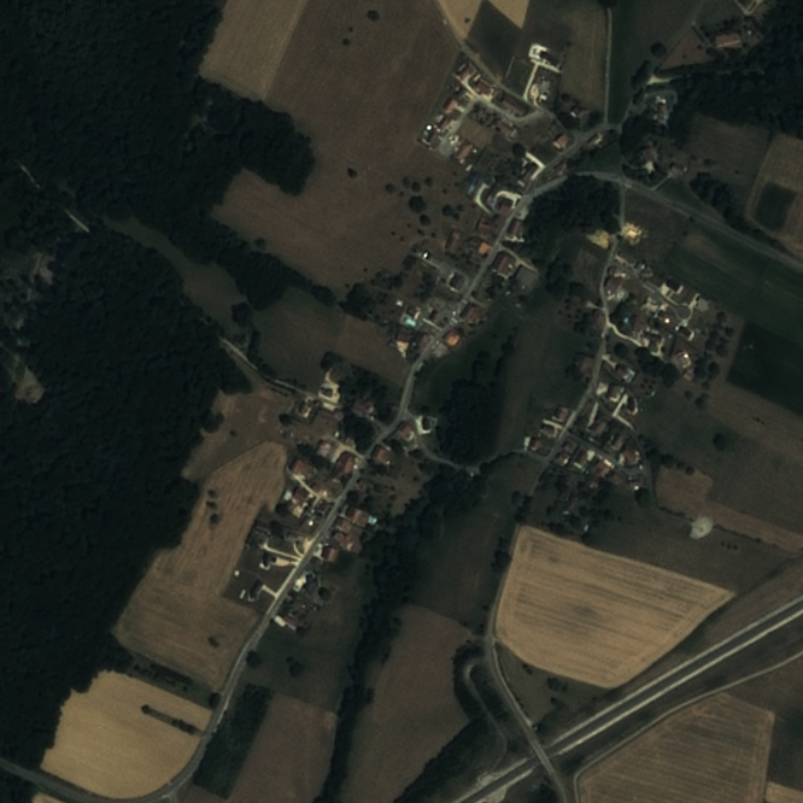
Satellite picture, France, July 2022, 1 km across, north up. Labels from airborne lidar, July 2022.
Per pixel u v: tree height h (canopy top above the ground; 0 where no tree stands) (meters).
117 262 24
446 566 0
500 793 0
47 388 18
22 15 24
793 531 0
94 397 22
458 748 7
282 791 0
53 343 25
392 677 0
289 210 0
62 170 23
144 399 28
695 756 0
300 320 0
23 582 28
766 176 0
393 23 0
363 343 0
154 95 27
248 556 0
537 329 0
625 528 0
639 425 0
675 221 0
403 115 0
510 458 7
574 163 8
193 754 0
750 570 0
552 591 0
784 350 0
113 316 29
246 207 0
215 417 23
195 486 13
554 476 6
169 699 0
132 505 32
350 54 0
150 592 0
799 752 0
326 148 0
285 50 0
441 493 24
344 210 0
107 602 19
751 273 0
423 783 8
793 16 26
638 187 0
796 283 0
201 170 30
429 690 0
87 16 20
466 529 0
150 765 0
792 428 0
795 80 35
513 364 0
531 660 0
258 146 23
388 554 13
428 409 10
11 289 26
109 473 22
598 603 0
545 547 0
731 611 0
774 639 0
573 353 0
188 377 22
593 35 0
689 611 0
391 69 0
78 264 30
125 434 21
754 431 0
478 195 0
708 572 0
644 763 0
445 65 0
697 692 0
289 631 0
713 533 0
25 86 23
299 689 0
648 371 13
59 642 20
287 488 0
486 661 0
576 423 6
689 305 0
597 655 0
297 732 0
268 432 0
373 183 0
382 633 22
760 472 0
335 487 0
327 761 0
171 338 30
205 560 0
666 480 0
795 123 29
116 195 20
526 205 0
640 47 0
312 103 0
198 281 0
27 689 30
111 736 0
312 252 0
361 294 11
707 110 25
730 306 0
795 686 0
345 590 0
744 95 25
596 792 0
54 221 26
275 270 20
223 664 0
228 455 0
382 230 0
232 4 0
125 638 0
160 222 18
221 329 12
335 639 0
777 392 0
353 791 0
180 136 28
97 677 19
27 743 33
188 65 33
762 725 0
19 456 27
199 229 24
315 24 0
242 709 6
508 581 0
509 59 0
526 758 0
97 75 21
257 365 12
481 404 28
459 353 0
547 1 0
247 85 0
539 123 0
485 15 0
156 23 29
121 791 0
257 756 0
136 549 29
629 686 0
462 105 0
